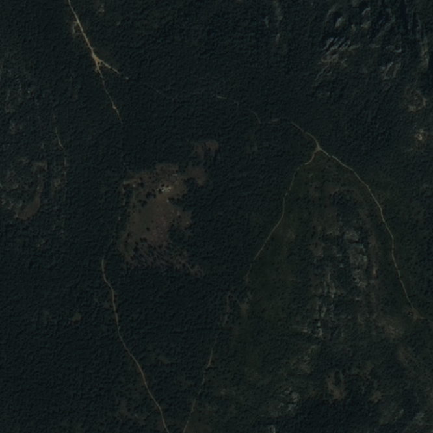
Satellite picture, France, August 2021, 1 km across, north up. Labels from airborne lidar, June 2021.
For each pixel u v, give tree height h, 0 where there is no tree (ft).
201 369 22
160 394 29
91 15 27
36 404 33
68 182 19
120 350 27
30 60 19
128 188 28
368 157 22
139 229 0
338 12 23
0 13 19
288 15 30
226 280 24
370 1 19
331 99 26
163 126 29
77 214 27
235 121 21
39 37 34
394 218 24
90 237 20
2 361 28
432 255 29
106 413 19
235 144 20
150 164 39
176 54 28
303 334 31
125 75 21
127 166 27
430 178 27
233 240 21
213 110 19
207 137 28
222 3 25
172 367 35
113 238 31
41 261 22
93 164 23
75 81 19
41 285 23
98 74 20
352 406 45
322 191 24
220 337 23
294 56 27
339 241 38
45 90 22
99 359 30
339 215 37
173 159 27
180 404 28
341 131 24
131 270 29
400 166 24
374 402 19
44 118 25
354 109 29
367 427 20
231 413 21
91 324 29
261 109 26
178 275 25
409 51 45
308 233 19
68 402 30
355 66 24
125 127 38
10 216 20
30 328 24
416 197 31
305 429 27
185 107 27
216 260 26
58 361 32
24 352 22
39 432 25
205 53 28
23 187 22
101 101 23
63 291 20
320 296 35
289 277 0
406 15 28
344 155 21
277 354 18
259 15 24
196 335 31
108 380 22
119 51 22
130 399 27
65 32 24
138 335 25
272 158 30
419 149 24
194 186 19
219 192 24
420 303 20
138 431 27
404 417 31
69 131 24
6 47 19
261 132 28
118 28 27
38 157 24
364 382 24
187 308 27
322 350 36
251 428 21
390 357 26
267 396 28
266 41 20
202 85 18
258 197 25
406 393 28
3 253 22
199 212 27
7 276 24
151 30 27
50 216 24
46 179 27
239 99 20
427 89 31
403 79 18
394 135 20
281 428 19
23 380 35
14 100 25
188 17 33
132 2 23
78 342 36
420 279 20
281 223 0
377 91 26
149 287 31
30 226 21
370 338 23
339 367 33
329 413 38
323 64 19
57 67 33
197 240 21
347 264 33
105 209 23
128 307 24
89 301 36
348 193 24
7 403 26
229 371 24
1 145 21
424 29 39
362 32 21
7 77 29
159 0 21
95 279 32
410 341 20
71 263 22
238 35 19
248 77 21
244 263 25
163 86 21
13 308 23
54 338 21
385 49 34
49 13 30
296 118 24
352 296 27
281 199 23
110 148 28
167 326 31
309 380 20
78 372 27
